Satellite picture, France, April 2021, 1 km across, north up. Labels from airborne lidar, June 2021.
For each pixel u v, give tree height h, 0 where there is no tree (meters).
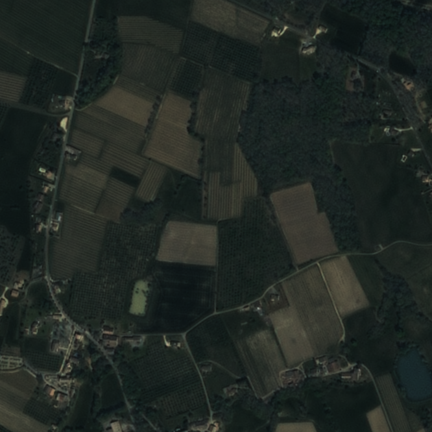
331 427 7
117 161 0
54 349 0
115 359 7
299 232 0
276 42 0
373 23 19
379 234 0
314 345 0
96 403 18
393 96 0
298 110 15
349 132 22
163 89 0
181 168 0
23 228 0
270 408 18
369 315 0
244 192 0
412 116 17
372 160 0
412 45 24
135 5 0
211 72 0
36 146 0
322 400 14
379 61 22
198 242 0
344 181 14
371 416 0
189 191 0
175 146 0
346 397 0
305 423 0
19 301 0
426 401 0
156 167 0
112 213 0
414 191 0
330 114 25
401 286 21
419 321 23
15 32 0
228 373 0
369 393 0
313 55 0
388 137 0
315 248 0
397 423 0
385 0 24
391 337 0
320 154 20
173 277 0
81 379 22
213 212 0
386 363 0
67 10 0
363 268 0
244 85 0
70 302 7
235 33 0
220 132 0
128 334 0
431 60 22
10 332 0
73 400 10
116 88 0
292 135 21
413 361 0
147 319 0
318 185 21
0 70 0
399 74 0
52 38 0
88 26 0
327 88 20
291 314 0
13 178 0
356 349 0
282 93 17
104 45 13
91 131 0
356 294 0
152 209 21
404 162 0
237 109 0
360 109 18
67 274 0
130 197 0
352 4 15
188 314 0
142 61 0
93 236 0
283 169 15
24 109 0
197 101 13
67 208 0
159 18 0
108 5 0
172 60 0
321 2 14
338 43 0
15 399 0
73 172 0
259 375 0
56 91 0
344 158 0
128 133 0
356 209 16
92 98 26
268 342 0
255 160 15
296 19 0
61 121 0
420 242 0
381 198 0
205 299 0
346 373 0
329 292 0
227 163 0
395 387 8
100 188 0
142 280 0
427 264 0
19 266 0
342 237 16
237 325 0
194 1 0
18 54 0
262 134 16
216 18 0
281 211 0
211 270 0
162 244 0
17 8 0
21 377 0
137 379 8
